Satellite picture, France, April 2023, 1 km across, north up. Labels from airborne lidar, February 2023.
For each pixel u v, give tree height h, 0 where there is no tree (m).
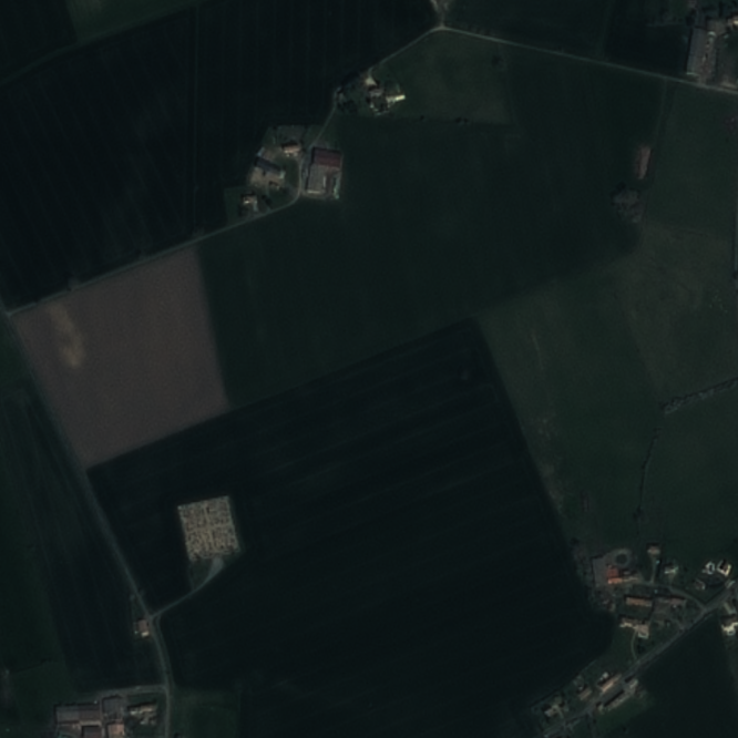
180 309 0
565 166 0
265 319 0
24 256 0
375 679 0
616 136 0
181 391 0
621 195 15
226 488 0
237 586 0
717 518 0
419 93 0
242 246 0
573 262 0
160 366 0
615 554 0
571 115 0
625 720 0
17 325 0
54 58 0
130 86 0
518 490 0
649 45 0
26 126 0
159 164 0
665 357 0
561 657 0
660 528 0
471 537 0
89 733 0
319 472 0
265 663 0
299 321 0
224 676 0
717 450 0
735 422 0
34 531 0
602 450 0
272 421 0
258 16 0
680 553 0
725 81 0
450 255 0
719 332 0
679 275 0
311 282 0
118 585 0
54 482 0
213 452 0
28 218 0
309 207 0
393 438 0
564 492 0
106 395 0
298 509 0
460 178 0
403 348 0
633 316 0
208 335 0
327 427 0
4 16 0
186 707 0
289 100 0
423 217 0
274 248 0
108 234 0
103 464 0
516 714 0
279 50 0
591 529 0
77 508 0
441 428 0
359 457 0
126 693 0
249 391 0
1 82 0
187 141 0
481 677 0
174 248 0
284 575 0
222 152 0
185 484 0
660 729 0
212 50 0
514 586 0
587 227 0
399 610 0
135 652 0
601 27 0
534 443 0
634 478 0
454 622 0
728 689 0
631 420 0
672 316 0
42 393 0
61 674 0
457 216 0
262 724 0
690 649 0
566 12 0
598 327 0
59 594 0
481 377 0
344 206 0
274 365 0
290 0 0
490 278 0
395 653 0
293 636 0
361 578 0
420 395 0
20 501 0
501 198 0
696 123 0
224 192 0
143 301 0
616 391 0
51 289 0
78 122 0
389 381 0
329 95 0
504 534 0
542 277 0
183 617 0
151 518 0
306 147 8
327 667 0
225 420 0
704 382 0
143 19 0
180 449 0
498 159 0
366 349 0
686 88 0
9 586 0
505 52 0
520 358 0
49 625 0
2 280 0
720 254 0
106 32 0
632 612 0
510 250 0
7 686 0
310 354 0
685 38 0
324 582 0
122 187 0
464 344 0
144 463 0
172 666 0
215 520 0
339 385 0
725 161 0
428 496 0
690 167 0
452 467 0
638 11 0
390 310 0
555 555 0
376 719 0
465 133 0
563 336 0
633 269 0
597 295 0
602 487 0
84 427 0
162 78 0
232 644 0
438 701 0
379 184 0
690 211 0
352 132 0
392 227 0
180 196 0
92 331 0
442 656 0
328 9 0
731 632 0
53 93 0
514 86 0
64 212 0
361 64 0
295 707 0
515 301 0
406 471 0
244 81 0
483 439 0
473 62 0
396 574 0
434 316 0
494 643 0
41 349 0
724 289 0
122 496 0
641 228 0
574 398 0
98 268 0
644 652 6
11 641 0
